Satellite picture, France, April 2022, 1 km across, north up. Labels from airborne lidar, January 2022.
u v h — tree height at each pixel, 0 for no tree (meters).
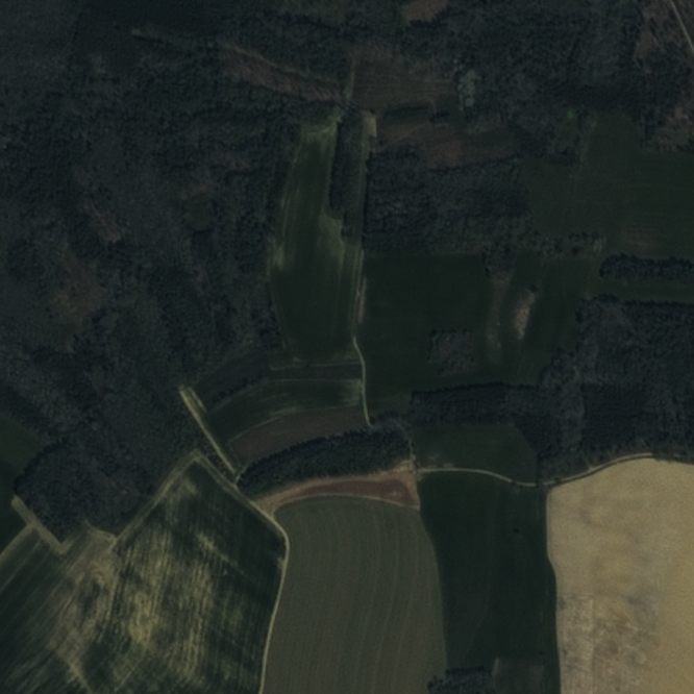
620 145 0
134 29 20
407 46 24
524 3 12
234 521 0
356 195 18
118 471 21
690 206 0
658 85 13
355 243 0
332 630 0
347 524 0
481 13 26
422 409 14
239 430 0
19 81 14
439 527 0
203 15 19
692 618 0
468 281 0
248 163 29
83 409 23
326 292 0
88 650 0
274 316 7
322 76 33
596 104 18
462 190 12
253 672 0
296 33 32
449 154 0
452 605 0
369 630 0
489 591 0
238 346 20
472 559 0
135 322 9
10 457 0
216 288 22
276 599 0
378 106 0
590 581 0
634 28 15
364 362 0
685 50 7
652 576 0
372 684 0
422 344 0
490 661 0
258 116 15
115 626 0
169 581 0
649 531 0
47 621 0
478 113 20
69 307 0
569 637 0
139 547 0
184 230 14
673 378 12
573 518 0
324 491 15
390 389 0
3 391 13
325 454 21
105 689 0
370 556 0
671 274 24
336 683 0
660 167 0
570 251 0
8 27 14
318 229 0
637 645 0
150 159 19
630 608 0
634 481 0
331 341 0
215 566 0
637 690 0
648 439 20
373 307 0
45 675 0
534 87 22
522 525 0
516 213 16
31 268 19
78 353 14
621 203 0
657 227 0
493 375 0
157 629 0
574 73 23
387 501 0
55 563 0
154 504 0
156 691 0
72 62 15
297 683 0
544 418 16
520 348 0
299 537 0
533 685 0
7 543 0
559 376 18
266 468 15
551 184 0
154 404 12
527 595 0
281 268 0
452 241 18
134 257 21
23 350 13
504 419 15
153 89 22
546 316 0
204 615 0
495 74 14
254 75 27
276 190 7
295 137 24
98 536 0
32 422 12
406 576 0
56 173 29
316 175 0
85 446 24
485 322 0
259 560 0
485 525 0
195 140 23
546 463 21
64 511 25
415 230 24
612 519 0
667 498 0
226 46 27
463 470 0
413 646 0
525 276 0
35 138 22
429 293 0
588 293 0
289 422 0
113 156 15
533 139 17
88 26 20
